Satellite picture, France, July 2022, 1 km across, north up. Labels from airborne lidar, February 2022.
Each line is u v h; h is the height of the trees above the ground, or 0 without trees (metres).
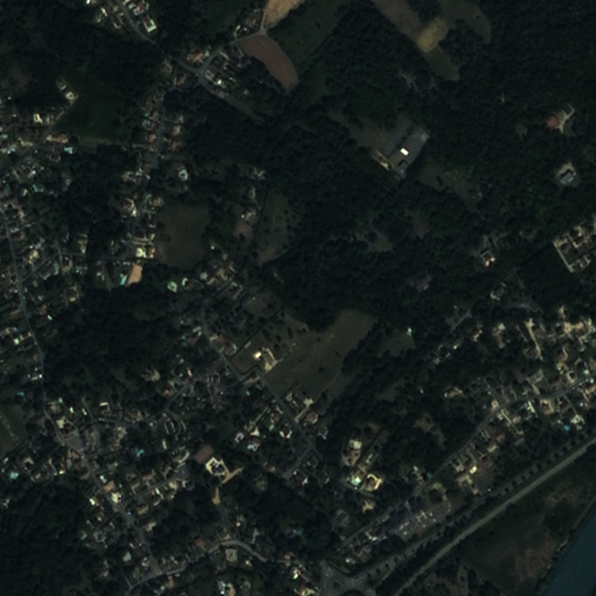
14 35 10
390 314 18
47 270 0
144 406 11
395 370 19
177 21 22
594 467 12
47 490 6
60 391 8
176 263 0
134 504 7
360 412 18
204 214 0
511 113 13
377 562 11
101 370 22
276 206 0
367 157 18
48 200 12
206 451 0
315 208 20
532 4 8
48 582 24
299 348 0
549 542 0
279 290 7
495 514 0
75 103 0
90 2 0
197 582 5
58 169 13
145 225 9
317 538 29
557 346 6
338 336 0
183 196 6
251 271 8
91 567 18
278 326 10
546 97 17
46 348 10
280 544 9
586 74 11
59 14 30
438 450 20
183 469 0
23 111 8
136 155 6
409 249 17
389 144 0
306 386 0
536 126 13
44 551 28
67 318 20
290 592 12
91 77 0
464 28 11
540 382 0
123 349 20
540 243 16
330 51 15
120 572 13
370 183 19
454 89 23
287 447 10
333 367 0
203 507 25
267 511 25
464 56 21
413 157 0
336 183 23
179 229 0
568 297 14
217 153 16
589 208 13
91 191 20
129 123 10
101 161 23
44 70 16
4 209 0
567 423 10
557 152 14
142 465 7
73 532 15
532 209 14
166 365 7
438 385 7
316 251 21
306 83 6
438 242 20
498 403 0
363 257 17
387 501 19
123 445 13
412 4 18
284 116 16
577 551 0
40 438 10
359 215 20
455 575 22
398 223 21
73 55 18
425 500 0
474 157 15
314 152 16
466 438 8
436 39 0
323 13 0
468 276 15
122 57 8
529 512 0
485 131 17
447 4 0
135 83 13
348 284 24
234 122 15
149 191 16
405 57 19
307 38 0
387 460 21
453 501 0
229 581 0
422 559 18
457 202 18
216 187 17
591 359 0
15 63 0
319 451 11
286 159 9
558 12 10
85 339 18
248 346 0
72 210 32
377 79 19
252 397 9
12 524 23
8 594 22
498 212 17
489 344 13
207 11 23
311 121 16
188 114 18
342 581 0
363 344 15
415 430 10
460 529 10
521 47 7
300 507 30
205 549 0
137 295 17
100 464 21
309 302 20
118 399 19
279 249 0
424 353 18
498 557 0
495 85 13
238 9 0
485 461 0
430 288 12
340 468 19
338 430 22
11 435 0
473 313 13
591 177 12
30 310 11
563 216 13
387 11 0
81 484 11
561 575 0
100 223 18
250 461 13
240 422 18
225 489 8
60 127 0
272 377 0
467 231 19
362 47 11
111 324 18
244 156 15
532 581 0
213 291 7
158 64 18
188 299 0
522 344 8
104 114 0
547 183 16
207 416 8
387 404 13
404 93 18
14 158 23
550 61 11
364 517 8
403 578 20
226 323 7
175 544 8
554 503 0
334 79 7
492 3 14
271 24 0
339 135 11
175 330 16
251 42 0
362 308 13
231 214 9
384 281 23
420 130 0
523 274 12
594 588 0
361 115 11
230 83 7
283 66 0
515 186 15
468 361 7
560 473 0
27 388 9
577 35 14
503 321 7
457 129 12
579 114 12
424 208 18
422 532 0
